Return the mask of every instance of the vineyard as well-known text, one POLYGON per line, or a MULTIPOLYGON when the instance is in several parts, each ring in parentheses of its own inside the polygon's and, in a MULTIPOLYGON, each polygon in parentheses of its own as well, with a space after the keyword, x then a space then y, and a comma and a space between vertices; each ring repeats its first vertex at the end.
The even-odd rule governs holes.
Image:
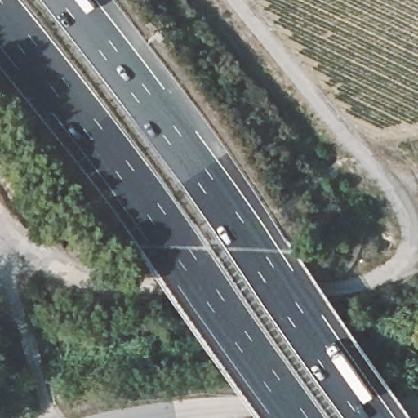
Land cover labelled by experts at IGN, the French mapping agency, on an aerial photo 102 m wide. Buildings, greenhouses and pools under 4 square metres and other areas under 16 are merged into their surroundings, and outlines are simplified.
POLYGON ((418 122, 418 0, 266 0, 268 7, 265 10, 278 15, 278 20, 274 21, 274 24, 289 29, 292 33, 291 41, 302 46, 300 54, 317 60, 315 72, 327 75, 327 87, 322 95, 323 96, 349 104, 351 116, 364 119, 372 126, 390 127, 398 126, 402 122, 418 122))

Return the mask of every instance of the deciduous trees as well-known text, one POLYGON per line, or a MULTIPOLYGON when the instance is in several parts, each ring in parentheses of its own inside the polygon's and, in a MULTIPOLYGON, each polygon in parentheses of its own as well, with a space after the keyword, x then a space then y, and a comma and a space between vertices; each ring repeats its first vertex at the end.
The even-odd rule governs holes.
POLYGON ((292 253, 287 255, 287 258, 291 263, 302 258, 305 265, 309 261, 317 261, 322 268, 328 266, 323 255, 313 255, 310 232, 315 229, 315 224, 310 220, 300 224, 302 230, 289 242, 292 245, 292 253))
POLYGON ((258 181, 265 183, 265 191, 276 206, 281 186, 274 181, 269 167, 256 171, 258 181))
POLYGON ((416 289, 413 297, 416 310, 403 307, 394 313, 394 317, 379 318, 377 331, 385 338, 394 338, 398 345, 413 345, 418 349, 418 282, 413 276, 403 279, 416 289))
POLYGON ((204 21, 196 21, 193 29, 196 38, 202 44, 212 46, 214 34, 209 31, 209 26, 204 21))
POLYGON ((366 330, 371 327, 371 320, 367 313, 359 310, 358 300, 353 297, 348 302, 349 318, 358 330, 366 330))
POLYGON ((82 207, 77 206, 83 198, 80 185, 72 185, 70 181, 64 180, 64 173, 57 163, 49 162, 46 155, 36 153, 33 140, 24 137, 23 116, 18 98, 13 98, 8 106, 0 106, 0 153, 5 155, 5 163, 18 163, 20 176, 26 181, 23 191, 16 191, 15 198, 8 199, 3 204, 11 216, 20 220, 20 224, 28 230, 29 242, 42 247, 60 245, 70 260, 80 261, 82 265, 90 268, 90 278, 88 281, 80 282, 78 286, 67 286, 64 279, 57 278, 54 274, 36 271, 33 276, 20 273, 18 281, 10 281, 5 286, 0 286, 0 418, 20 418, 24 413, 33 411, 42 415, 49 405, 59 408, 65 418, 85 418, 103 411, 122 410, 157 402, 173 402, 183 398, 222 395, 233 397, 233 390, 220 374, 216 364, 201 348, 193 333, 186 327, 180 313, 176 312, 167 296, 160 291, 158 279, 162 276, 145 278, 144 274, 140 274, 132 258, 132 248, 122 247, 116 238, 111 238, 106 245, 101 242, 101 229, 95 222, 95 217, 87 216, 82 207))

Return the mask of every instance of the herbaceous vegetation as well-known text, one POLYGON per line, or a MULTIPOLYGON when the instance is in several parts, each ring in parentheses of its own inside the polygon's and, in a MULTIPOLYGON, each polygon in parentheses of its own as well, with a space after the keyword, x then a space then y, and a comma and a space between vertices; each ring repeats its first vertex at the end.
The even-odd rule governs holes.
POLYGON ((13 98, 18 98, 23 116, 31 113, 29 95, 33 93, 34 87, 29 83, 16 82, 13 78, 7 77, 0 62, 0 106, 8 106, 13 98))
POLYGON ((23 191, 26 181, 20 176, 18 163, 5 163, 5 155, 0 153, 0 202, 3 204, 8 199, 15 198, 16 191, 23 191))

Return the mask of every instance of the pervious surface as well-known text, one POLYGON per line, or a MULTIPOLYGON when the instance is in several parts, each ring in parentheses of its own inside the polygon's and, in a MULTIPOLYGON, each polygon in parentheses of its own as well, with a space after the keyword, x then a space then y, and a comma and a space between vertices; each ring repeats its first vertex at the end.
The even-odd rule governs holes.
POLYGON ((323 96, 322 95, 307 77, 307 73, 300 69, 294 57, 287 54, 282 42, 274 38, 273 31, 265 28, 265 24, 253 15, 245 0, 225 0, 229 10, 247 24, 258 41, 265 46, 269 56, 278 62, 286 77, 291 78, 292 85, 299 91, 296 100, 297 100, 302 96, 307 101, 307 106, 312 109, 323 100, 323 96))
POLYGON ((366 286, 376 287, 387 281, 403 279, 413 276, 418 282, 418 214, 415 207, 411 206, 407 194, 394 186, 389 176, 385 175, 382 165, 374 158, 371 150, 367 149, 366 144, 359 136, 351 136, 346 131, 346 127, 335 118, 335 114, 331 113, 328 106, 320 109, 315 116, 325 122, 328 131, 335 137, 333 142, 336 144, 340 144, 351 153, 351 160, 358 162, 358 168, 366 170, 369 178, 377 180, 377 185, 384 191, 385 198, 390 202, 390 207, 402 227, 402 243, 395 251, 394 258, 385 265, 372 269, 362 278, 358 274, 354 279, 330 282, 323 287, 328 299, 331 296, 354 294, 366 286))
POLYGON ((80 261, 70 260, 60 245, 42 247, 29 242, 28 230, 20 224, 20 220, 11 216, 3 204, 0 202, 0 255, 8 256, 18 251, 26 256, 29 265, 36 271, 54 274, 57 278, 64 279, 67 286, 78 286, 80 282, 88 281, 90 278, 90 268, 82 265, 80 261))

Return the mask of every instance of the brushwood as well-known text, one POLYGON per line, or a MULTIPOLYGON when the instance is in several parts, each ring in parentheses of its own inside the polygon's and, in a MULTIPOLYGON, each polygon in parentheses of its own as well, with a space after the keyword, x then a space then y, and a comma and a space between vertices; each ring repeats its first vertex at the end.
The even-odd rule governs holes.
POLYGON ((358 186, 361 176, 336 167, 336 144, 333 142, 327 142, 317 136, 309 116, 300 113, 297 100, 296 100, 282 90, 281 85, 263 67, 263 59, 251 51, 251 47, 238 36, 232 24, 225 23, 220 18, 219 10, 207 0, 131 0, 132 3, 139 5, 140 18, 145 23, 152 23, 158 33, 162 33, 163 42, 173 42, 171 54, 175 56, 176 62, 185 67, 185 73, 191 75, 196 88, 209 101, 212 109, 219 113, 219 121, 229 127, 235 144, 242 145, 242 152, 247 158, 248 165, 256 171, 269 167, 274 181, 281 186, 276 206, 287 219, 284 224, 279 224, 279 230, 289 242, 302 230, 300 224, 310 220, 315 224, 315 229, 310 232, 313 255, 323 255, 328 266, 336 269, 346 266, 353 258, 354 247, 358 245, 372 243, 376 245, 377 251, 387 250, 389 242, 384 240, 385 227, 380 224, 380 220, 384 219, 385 211, 390 207, 390 202, 385 198, 372 198, 364 193, 358 186), (214 34, 212 46, 202 44, 196 38, 193 29, 196 21, 204 21, 209 26, 209 31, 214 34))
POLYGON ((20 273, 33 276, 36 271, 29 265, 26 256, 18 251, 8 256, 0 255, 0 286, 5 286, 10 281, 18 281, 20 273))

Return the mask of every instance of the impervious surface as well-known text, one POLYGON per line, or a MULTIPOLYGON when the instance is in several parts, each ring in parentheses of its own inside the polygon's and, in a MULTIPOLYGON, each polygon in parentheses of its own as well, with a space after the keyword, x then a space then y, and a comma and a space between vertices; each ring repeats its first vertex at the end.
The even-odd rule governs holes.
POLYGON ((31 113, 23 116, 24 137, 33 140, 36 153, 46 155, 49 162, 57 163, 64 173, 64 180, 70 181, 72 185, 80 185, 83 198, 77 206, 82 207, 87 216, 95 217, 95 222, 101 229, 101 242, 106 245, 111 238, 116 238, 122 247, 132 248, 132 258, 140 274, 144 274, 145 278, 162 276, 158 279, 160 291, 167 296, 176 312, 180 313, 186 327, 193 333, 201 348, 216 364, 220 374, 233 390, 233 397, 222 395, 183 398, 173 402, 157 402, 122 410, 103 411, 85 418, 418 418, 418 349, 413 345, 398 345, 394 338, 385 338, 377 331, 379 318, 394 317, 394 313, 403 307, 416 310, 413 297, 416 289, 403 279, 387 281, 376 287, 366 286, 354 294, 331 296, 328 299, 323 287, 330 282, 354 279, 358 274, 346 266, 336 269, 328 266, 322 268, 317 261, 309 261, 305 265, 302 258, 291 263, 287 258, 287 255, 292 253, 292 245, 289 242, 279 230, 279 224, 284 224, 287 219, 276 206, 265 191, 265 183, 258 181, 256 171, 248 165, 247 158, 242 152, 242 145, 235 144, 229 127, 219 121, 219 113, 212 109, 209 101, 196 88, 191 75, 185 73, 185 67, 176 62, 175 56, 171 54, 173 42, 163 42, 162 33, 158 33, 152 23, 145 23, 140 18, 139 5, 132 3, 131 0, 0 0, 0 62, 7 77, 13 78, 16 82, 29 83, 34 87, 33 93, 29 95, 31 113), (348 302, 353 297, 358 300, 359 310, 367 313, 371 320, 371 327, 366 330, 358 330, 349 318, 348 302))
POLYGON ((42 415, 33 411, 24 413, 20 418, 65 418, 59 408, 49 405, 42 415))

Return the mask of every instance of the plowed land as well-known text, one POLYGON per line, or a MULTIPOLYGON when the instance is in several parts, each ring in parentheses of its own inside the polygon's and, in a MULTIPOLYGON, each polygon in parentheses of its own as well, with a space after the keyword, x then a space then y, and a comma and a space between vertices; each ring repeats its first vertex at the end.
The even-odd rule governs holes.
POLYGON ((351 160, 351 153, 340 144, 336 144, 336 167, 361 176, 358 186, 364 193, 372 198, 385 198, 384 191, 377 185, 377 180, 369 178, 366 170, 358 168, 358 162, 351 160))
POLYGON ((358 245, 354 247, 353 258, 346 266, 358 274, 362 278, 372 269, 385 265, 394 258, 395 251, 402 243, 402 227, 390 207, 385 211, 384 219, 380 220, 380 224, 385 227, 384 240, 389 242, 387 250, 377 251, 376 245, 372 243, 358 245))
POLYGON ((251 47, 251 51, 263 59, 263 67, 281 85, 282 90, 296 100, 299 91, 292 85, 291 78, 286 77, 278 62, 269 56, 265 46, 258 41, 247 24, 229 10, 225 0, 207 0, 219 10, 220 18, 225 23, 232 24, 238 36, 251 47))
POLYGON ((372 126, 364 119, 351 116, 349 104, 323 96, 323 100, 312 109, 307 106, 307 101, 302 96, 297 100, 300 113, 309 116, 317 136, 327 142, 333 142, 335 137, 328 131, 325 122, 315 116, 320 109, 328 106, 331 113, 335 114, 335 118, 346 127, 346 131, 351 136, 359 136, 366 144, 367 149, 371 150, 374 158, 382 165, 385 175, 389 176, 394 186, 407 194, 411 206, 415 207, 418 214, 418 122, 402 122, 398 126, 390 127, 372 126))
POLYGON ((265 10, 268 7, 266 0, 245 0, 253 15, 265 24, 265 28, 273 31, 274 38, 282 42, 287 54, 294 57, 300 69, 307 73, 307 77, 322 95, 327 87, 327 75, 315 72, 317 60, 300 54, 302 46, 291 41, 292 33, 289 29, 274 24, 274 21, 278 20, 278 15, 265 10))

